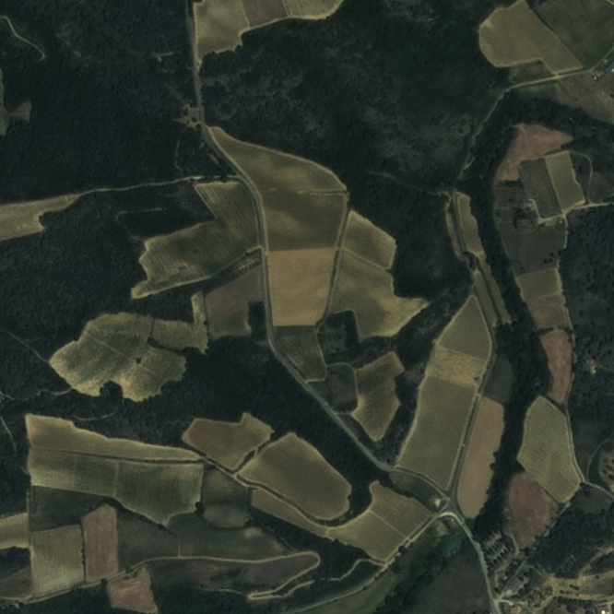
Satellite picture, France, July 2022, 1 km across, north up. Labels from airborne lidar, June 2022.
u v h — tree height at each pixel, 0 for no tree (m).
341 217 0
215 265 0
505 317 0
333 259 0
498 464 15
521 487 0
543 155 0
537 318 0
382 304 0
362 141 8
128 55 9
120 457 0
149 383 0
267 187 0
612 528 9
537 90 0
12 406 12
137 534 0
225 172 10
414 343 8
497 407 0
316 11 0
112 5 9
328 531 0
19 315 14
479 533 15
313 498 0
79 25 6
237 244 0
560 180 0
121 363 0
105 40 8
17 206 0
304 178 0
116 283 15
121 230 7
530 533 0
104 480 0
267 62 8
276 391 8
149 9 13
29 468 0
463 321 0
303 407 12
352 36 10
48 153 7
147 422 8
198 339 0
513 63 0
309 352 0
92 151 14
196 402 9
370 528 0
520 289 12
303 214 0
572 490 0
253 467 0
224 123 8
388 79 8
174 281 0
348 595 0
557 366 0
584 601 9
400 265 11
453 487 0
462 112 6
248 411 7
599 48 0
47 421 0
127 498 0
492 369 0
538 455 0
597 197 0
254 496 0
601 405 14
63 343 11
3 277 10
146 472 0
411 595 15
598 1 0
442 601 0
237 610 11
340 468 9
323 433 16
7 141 14
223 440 0
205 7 0
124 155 8
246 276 0
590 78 0
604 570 13
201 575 0
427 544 0
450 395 0
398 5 7
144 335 0
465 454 0
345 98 10
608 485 7
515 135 0
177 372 0
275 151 0
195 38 0
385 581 0
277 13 0
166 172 8
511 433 21
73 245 10
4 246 5
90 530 0
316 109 8
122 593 0
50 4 6
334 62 7
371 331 0
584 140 6
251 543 0
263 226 0
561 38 0
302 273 0
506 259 13
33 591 0
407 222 8
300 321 0
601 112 0
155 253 0
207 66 10
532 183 0
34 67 8
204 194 0
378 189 19
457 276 6
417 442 0
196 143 8
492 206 10
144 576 0
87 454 0
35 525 0
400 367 0
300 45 6
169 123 9
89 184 13
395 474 0
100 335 0
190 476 0
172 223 11
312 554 0
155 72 9
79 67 10
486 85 7
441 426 0
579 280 8
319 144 9
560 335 0
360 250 0
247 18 0
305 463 0
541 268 0
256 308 8
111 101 15
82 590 8
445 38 7
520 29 0
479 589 0
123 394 13
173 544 0
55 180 6
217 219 0
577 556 9
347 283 0
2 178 9
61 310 8
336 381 0
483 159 11
